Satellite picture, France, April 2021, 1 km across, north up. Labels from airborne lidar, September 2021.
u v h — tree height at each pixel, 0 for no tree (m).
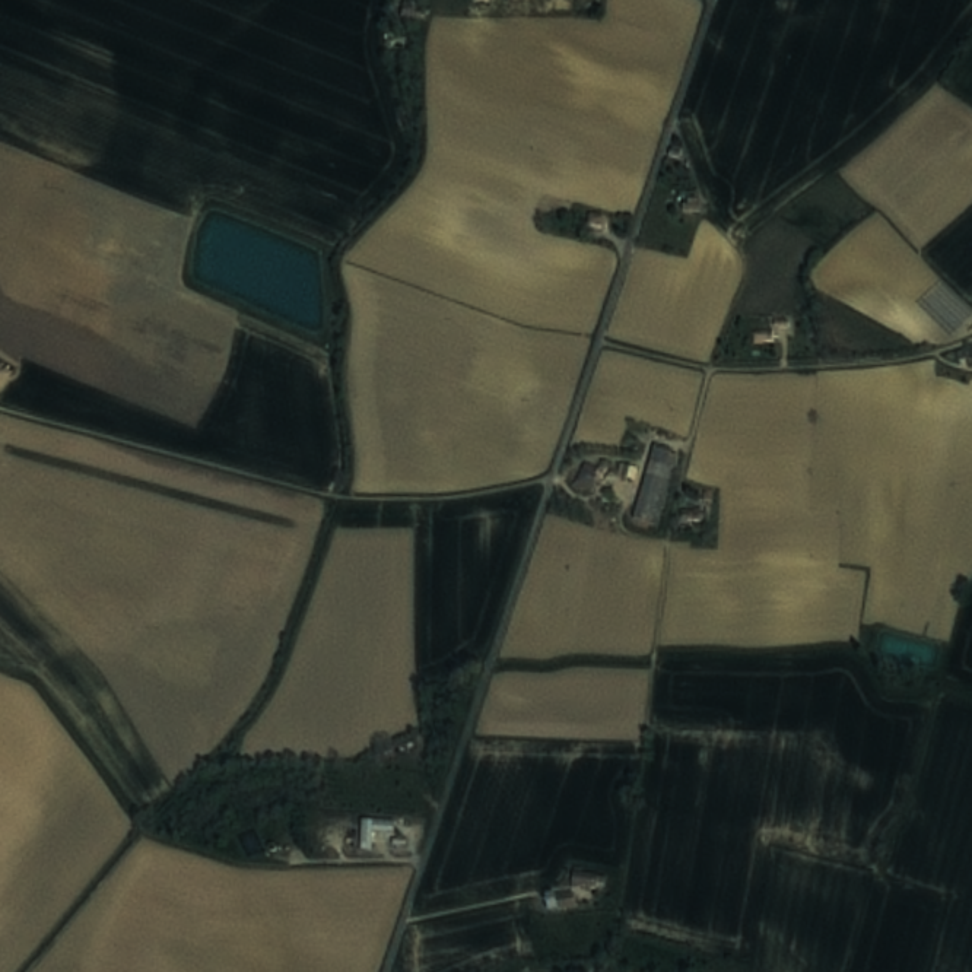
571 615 0
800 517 0
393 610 0
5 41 0
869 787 0
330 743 0
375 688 0
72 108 0
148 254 0
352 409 0
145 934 0
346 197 0
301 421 0
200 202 0
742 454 0
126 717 0
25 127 0
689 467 0
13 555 0
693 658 0
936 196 0
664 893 0
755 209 0
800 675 0
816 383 0
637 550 0
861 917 0
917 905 0
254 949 0
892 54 0
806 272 11
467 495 0
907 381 0
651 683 0
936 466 0
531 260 0
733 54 0
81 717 0
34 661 0
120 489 0
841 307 0
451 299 0
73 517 0
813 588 0
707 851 0
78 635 0
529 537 0
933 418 0
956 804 0
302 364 0
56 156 0
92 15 0
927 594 0
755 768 0
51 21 0
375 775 0
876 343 0
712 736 0
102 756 0
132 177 0
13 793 0
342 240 7
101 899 0
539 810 0
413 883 0
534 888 0
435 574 0
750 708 0
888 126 0
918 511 0
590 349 0
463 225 0
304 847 13
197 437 0
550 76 0
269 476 0
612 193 0
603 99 0
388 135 0
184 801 6
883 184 0
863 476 0
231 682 0
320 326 0
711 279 0
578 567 0
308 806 7
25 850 0
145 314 0
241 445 0
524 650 0
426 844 0
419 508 0
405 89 15
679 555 0
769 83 0
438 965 0
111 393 0
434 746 15
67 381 0
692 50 0
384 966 0
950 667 0
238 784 13
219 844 15
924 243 0
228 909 0
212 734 0
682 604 0
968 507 0
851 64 0
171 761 0
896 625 0
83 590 0
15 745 0
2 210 0
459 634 0
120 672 0
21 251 0
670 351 0
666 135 0
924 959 0
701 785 0
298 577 0
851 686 0
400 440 0
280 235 0
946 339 0
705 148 0
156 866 0
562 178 0
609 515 12
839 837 0
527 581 0
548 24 0
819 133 0
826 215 0
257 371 0
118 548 0
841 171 0
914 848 0
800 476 0
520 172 0
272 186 0
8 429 0
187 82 0
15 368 0
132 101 0
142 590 0
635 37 0
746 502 0
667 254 9
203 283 0
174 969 0
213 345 0
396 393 0
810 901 0
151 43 0
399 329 0
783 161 0
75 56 0
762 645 0
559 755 0
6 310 0
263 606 0
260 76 0
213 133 0
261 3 0
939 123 0
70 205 0
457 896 0
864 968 0
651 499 0
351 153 0
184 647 0
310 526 0
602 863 0
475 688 16
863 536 0
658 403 0
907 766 0
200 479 0
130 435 0
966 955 0
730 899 0
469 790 0
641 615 0
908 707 0
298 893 0
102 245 0
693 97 0
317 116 0
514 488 0
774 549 0
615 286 0
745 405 0
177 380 0
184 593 0
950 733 0
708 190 0
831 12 0
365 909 0
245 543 0
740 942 0
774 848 0
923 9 0
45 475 0
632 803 13
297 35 0
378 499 0
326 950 0
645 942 7
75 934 0
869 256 0
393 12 14
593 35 0
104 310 0
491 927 0
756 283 0
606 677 0
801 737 0
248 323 0
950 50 0
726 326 0
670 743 0
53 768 0
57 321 0
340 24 0
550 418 0
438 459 0
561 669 0
